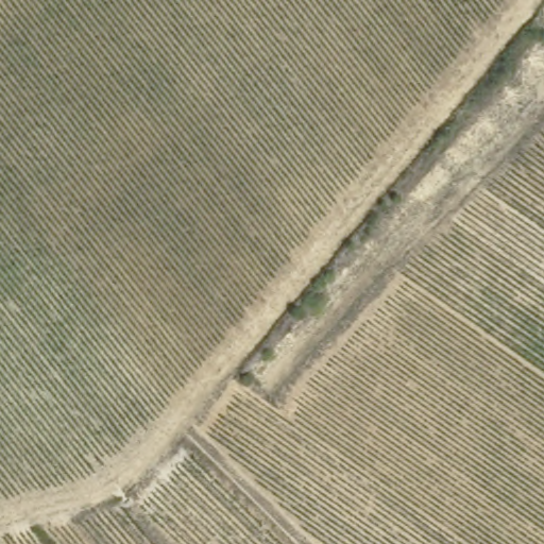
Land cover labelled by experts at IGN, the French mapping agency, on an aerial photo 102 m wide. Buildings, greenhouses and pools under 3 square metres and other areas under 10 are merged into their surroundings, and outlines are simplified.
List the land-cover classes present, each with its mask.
<instances>
[{"label":"vineyard","instance_id":"1","mask_svg":"<svg viewBox=\"0 0 544 544\"><path fill-rule=\"evenodd\" d=\"M514 0H0V499L21 495L26 491L57 487L66 480L72 482L79 478H87L104 465V457L117 455L123 448L128 438L136 434V429L147 425L149 421H155L168 406L170 397L187 385L189 376L198 372L202 361L210 357L213 351L223 342L227 329L242 323L244 310L257 302L268 283L276 278L278 270L291 261V251L310 238V230L325 217L332 204H336V193L355 179V174L363 168L366 162L374 157V151L380 142L391 138L397 123L414 104L429 108L431 104H436V89L448 87V79L461 70V64H465L463 53L474 49V45H478L485 36H489V32L497 26L502 13L510 9L508 4ZM521 74V85L514 89L504 87V91L497 98H493V102L480 113V119L453 142V147L434 166V170L417 185V189L400 202L393 215L376 223L363 249L353 251L355 259L346 268L336 272V276L325 285L327 300L321 306V312L317 317L298 319L293 323L291 334L276 342L274 357L270 361H253L249 368L253 374L249 385H240L236 380V370L227 372L221 380H217L213 391L204 395L200 408L191 417H187L170 446L159 453V474L147 468L136 482L125 487L123 495L108 497L100 504L83 508L77 516L70 519L68 525L49 527L47 531L40 525H34L26 533H6L0 538V544H544V45H533L529 55L521 60L516 70Z\"/></svg>","mask_w":544,"mask_h":544},{"label":"pervious surface","instance_id":"2","mask_svg":"<svg viewBox=\"0 0 544 544\"><path fill-rule=\"evenodd\" d=\"M540 0H514L508 4L510 9L502 13L497 26L489 32V36H485L478 45H474V49L463 53L465 64H461V70L448 79V87L436 89V104H431L429 108L414 104L397 123L391 138L380 142L374 151V157L366 162L363 168L355 174V179L336 193V204H332L325 217L310 230V238L291 251V261L278 270L276 278L268 283L257 302L244 310L242 323L227 329L223 342L213 351L210 357L202 361L198 372L189 376L187 385L170 397L168 406L155 421H149L147 425L136 429V434L128 438L123 448L117 455L104 457V465L87 478H79L72 482L66 480L57 487L26 491L21 495L0 499V538L6 533H26L34 525H40L47 531L49 527L68 525L70 519L77 516L83 508L100 504L108 497L123 495L125 487L136 482L147 468L159 474V453L170 446L187 417H191L200 408L204 395L213 391L217 380H221L227 372L236 370L240 359L261 340L268 327L285 310V306L302 293L308 281L321 270V266L334 253V249L340 244V240L363 219L370 206L376 202V198L419 153V149L431 136V132L448 119L451 111L485 74L495 55L510 40V36L531 17Z\"/></svg>","mask_w":544,"mask_h":544},{"label":"brushwood","instance_id":"3","mask_svg":"<svg viewBox=\"0 0 544 544\"><path fill-rule=\"evenodd\" d=\"M544 45V0H540L531 17L510 36V40L495 55L485 74L451 111L448 119L431 132V136L419 149V153L376 198V202L370 206L363 219L340 240V244L334 249V253L321 266V270L308 281L302 293L285 306V310L268 327L261 340L240 359L236 370V380L240 385H249L253 374L249 368L253 361H270L274 357L276 342L291 334L293 323L298 319L317 317L321 312V306L327 300L325 285L336 276V272L346 268L355 259L353 251L363 249L376 223L393 215L400 202L417 189V185L434 170V166L453 147V142L480 119V113L493 102V98H497L504 91V87L514 89L521 85V74L516 70L521 60L529 55L533 45Z\"/></svg>","mask_w":544,"mask_h":544}]
</instances>
